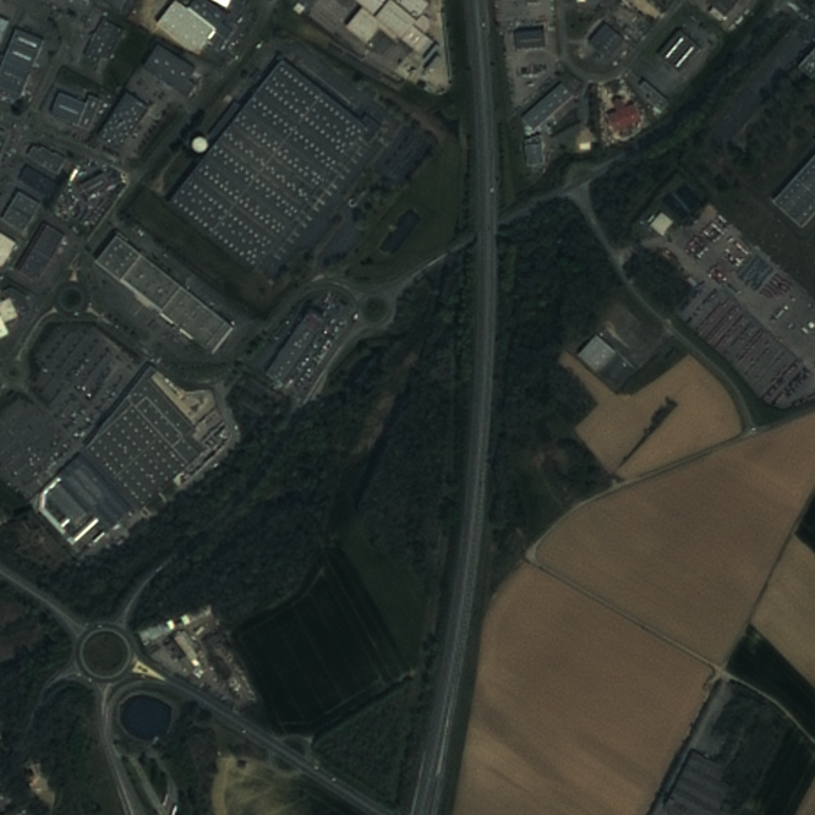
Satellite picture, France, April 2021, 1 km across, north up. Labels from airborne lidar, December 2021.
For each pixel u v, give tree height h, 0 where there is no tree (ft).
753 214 0
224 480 60
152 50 23
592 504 0
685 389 0
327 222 0
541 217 51
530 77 0
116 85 0
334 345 0
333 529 0
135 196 0
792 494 0
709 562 0
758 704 46
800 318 0
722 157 76
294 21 0
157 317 0
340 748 40
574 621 0
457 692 0
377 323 0
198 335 0
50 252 0
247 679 0
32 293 0
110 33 0
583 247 87
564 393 82
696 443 0
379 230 0
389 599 0
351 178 0
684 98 0
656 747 0
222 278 0
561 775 0
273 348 0
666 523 0
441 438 56
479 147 0
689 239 0
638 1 0
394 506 74
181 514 90
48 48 0
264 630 0
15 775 60
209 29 0
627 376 0
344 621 0
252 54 0
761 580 0
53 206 53
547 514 0
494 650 0
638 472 0
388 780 42
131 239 0
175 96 0
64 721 44
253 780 0
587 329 62
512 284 75
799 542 0
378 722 37
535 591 0
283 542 81
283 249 0
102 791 0
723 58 0
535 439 54
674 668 0
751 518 0
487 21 0
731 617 0
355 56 0
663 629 0
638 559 0
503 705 0
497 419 27
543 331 20
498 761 0
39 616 47
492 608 0
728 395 0
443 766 0
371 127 0
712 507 0
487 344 0
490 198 0
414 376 39
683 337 0
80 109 0
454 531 21
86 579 55
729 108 0
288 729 0
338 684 0
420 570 42
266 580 42
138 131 0
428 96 0
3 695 82
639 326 0
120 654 0
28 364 0
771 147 44
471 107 0
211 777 39
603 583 0
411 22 0
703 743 0
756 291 0
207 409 0
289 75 0
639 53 0
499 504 42
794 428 0
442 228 0
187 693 0
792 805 0
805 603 0
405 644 0
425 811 0
